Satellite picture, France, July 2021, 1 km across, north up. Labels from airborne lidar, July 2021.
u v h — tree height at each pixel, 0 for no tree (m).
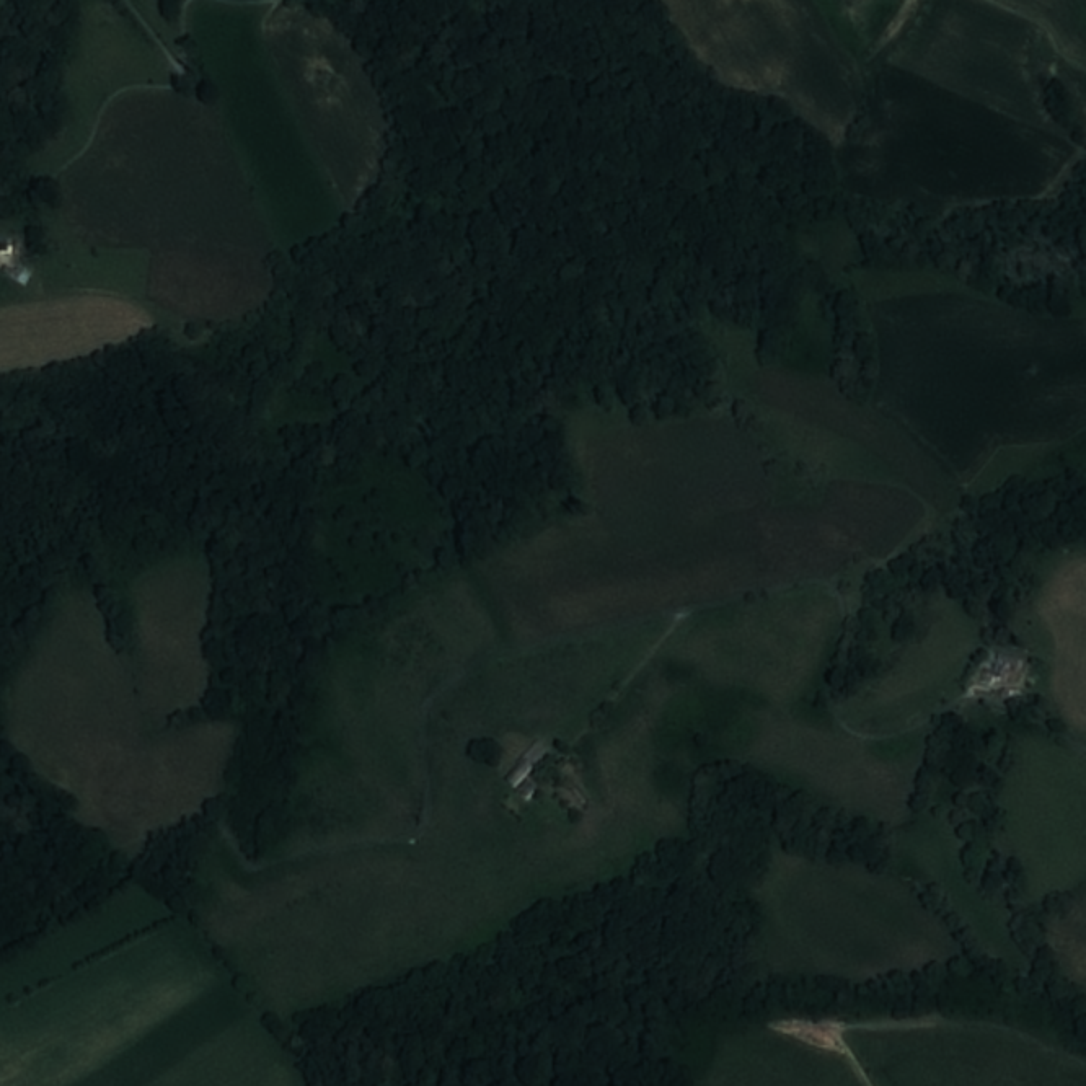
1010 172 0
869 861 26
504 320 28
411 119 29
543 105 35
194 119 0
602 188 30
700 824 18
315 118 0
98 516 24
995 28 0
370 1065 24
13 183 21
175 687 0
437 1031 19
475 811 0
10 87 27
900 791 0
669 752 0
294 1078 0
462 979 25
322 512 14
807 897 0
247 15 0
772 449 10
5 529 30
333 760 0
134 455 33
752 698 0
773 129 27
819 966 0
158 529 6
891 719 0
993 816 18
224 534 24
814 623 0
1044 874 0
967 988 0
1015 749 10
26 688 0
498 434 21
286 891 0
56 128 27
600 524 0
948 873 0
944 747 23
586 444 0
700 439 0
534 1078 32
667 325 28
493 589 0
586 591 0
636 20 28
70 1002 0
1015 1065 0
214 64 0
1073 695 0
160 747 0
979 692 0
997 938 0
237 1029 0
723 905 28
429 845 0
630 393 25
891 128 0
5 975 0
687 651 0
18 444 23
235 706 23
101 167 0
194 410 32
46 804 21
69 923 11
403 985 13
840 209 9
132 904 0
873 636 14
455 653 0
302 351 22
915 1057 0
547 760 12
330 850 0
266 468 25
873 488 0
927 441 0
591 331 22
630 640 0
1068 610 0
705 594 0
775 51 0
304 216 0
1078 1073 0
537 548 0
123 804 0
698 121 37
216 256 0
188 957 0
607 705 10
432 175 27
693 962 32
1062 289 27
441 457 36
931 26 0
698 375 31
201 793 0
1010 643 6
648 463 0
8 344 0
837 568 0
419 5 31
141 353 24
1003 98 0
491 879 0
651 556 0
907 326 0
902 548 0
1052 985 14
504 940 14
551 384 23
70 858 24
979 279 11
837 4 0
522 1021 27
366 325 12
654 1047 29
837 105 0
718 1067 0
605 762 0
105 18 0
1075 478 23
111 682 0
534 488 32
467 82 24
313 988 0
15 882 28
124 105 0
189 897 23
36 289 0
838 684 31
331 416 0
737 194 23
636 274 30
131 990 0
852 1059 0
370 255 32
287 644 29
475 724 0
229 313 0
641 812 0
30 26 25
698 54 10
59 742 0
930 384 0
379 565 0
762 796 29
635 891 24
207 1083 0
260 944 0
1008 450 0
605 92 29
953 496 0
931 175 0
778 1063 0
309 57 0
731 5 0
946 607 0
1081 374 0
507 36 34
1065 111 16
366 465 20
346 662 0
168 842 16
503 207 36
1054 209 19
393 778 0
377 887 0
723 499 0
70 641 0
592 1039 29
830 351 0
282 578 28
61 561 27
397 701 0
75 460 24
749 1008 10
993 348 0
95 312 0
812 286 12
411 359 33
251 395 13
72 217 0
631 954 32
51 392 25
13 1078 0
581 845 0
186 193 0
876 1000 6
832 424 0
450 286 32
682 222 24
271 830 19
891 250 17
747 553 0
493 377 29
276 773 14
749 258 22
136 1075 0
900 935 0
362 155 0
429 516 0
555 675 0
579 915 21
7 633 27
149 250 0
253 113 0
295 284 20
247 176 0
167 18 14
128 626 20
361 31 21
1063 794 0
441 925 0
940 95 0
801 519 0
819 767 0
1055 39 0
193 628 0
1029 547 30
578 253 22
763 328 20
